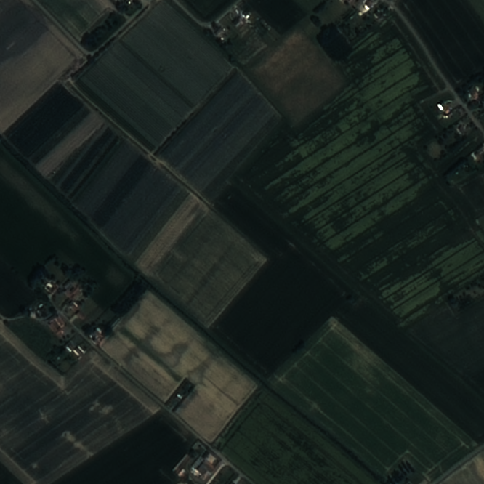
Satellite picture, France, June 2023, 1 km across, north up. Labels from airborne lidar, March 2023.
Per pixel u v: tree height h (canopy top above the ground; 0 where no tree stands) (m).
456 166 9
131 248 0
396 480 6
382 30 0
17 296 0
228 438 0
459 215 0
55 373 0
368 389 0
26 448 0
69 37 0
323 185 0
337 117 0
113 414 0
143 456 0
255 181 0
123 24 0
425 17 0
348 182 0
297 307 0
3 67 0
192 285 0
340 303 0
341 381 0
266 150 0
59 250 0
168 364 0
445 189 0
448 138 0
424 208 0
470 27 0
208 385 0
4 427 0
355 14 0
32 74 0
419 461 0
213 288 0
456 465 0
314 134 0
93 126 0
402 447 0
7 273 0
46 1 0
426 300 0
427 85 0
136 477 0
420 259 0
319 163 0
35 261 0
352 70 0
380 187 0
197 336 0
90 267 0
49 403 0
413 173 0
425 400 0
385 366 0
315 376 0
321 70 0
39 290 10
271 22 0
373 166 0
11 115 0
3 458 0
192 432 0
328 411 0
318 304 0
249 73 0
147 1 0
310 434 0
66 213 0
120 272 0
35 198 0
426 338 0
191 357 0
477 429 0
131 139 0
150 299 0
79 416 0
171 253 0
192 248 0
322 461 0
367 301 0
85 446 0
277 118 0
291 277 0
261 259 0
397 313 0
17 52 0
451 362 0
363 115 0
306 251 0
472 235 0
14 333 0
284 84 0
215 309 0
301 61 0
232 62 11
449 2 0
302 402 0
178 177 0
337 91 0
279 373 0
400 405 0
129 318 0
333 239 0
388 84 0
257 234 0
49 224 0
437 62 0
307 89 0
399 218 0
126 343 0
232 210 0
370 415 0
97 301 0
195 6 0
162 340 0
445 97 0
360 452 0
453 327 0
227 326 0
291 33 0
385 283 0
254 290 0
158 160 0
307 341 0
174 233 0
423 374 0
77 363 0
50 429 0
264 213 0
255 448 0
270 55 0
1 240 0
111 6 0
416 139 0
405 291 0
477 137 0
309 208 0
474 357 0
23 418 0
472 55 0
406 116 0
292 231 0
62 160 0
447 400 0
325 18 0
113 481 0
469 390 0
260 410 0
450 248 0
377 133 0
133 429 0
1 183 0
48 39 0
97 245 0
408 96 0
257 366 0
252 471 0
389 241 0
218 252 0
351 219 0
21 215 0
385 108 0
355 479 0
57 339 0
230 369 0
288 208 0
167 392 0
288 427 0
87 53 0
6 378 0
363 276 0
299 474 0
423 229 0
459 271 0
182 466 0
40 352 0
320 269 0
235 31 0
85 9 0
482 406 0
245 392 0
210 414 0
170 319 0
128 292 10
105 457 0
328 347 0
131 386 0
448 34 0
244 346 0
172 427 0
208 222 0
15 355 0
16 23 0
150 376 0
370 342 0
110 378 0
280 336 0
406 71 0
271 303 0
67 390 0
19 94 0
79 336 0
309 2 0
